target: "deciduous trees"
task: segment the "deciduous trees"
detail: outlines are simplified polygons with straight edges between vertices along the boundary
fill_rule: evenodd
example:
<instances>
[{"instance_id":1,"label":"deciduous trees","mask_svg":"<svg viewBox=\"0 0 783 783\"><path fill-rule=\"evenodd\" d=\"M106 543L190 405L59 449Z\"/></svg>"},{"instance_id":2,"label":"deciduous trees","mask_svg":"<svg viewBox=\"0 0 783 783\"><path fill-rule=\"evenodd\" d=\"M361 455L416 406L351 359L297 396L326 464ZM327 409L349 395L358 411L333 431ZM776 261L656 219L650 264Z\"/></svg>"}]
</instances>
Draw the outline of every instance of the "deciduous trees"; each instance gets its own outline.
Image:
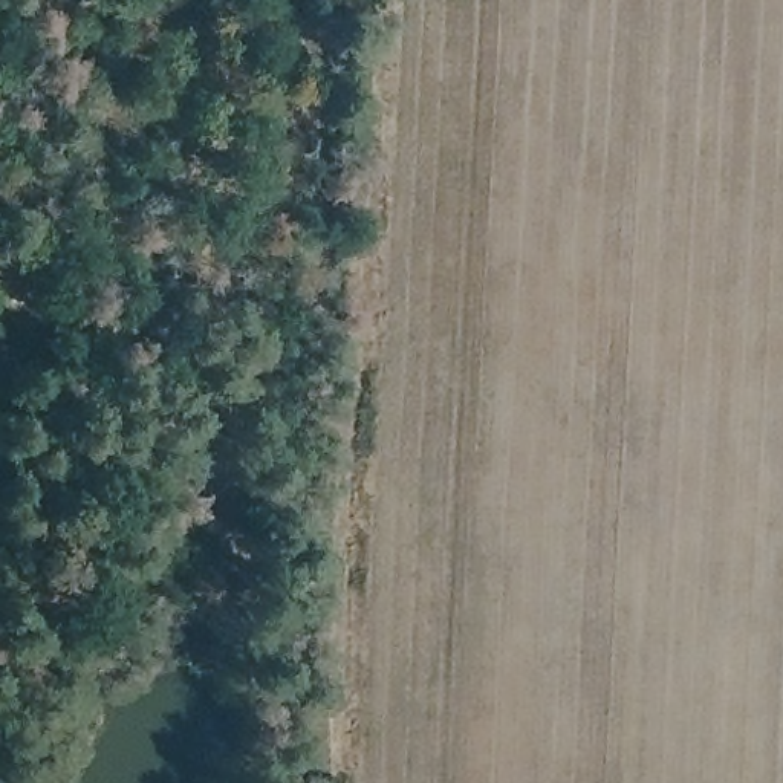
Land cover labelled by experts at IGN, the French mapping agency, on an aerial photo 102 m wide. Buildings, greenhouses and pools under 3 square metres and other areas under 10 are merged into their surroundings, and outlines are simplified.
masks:
<instances>
[{"instance_id":1,"label":"deciduous trees","mask_svg":"<svg viewBox=\"0 0 783 783\"><path fill-rule=\"evenodd\" d=\"M214 517L214 502L205 499L205 483L211 480L214 468L208 443L217 437L220 419L211 407L248 404L260 416L263 437L263 450L257 447L242 459L245 489L251 495L248 514L257 523L263 523L272 547L281 557L278 572L269 581L254 581L251 587L239 590L239 609L232 612L220 636L226 648L236 648L236 658L229 658L223 670L226 691L236 697L236 703L236 725L229 728L229 737L232 752L239 755L239 774L236 780L220 783L349 783L349 774L327 771L327 719L343 703L343 688L318 670L318 661L327 658L330 645L318 639L318 633L330 624L330 612L336 606L333 584L343 578L349 581L352 569L346 554L336 557L333 551L327 551L333 532L333 502L340 495L352 495L352 459L355 453L370 456L376 440L376 370L364 364L364 340L349 340L346 300L349 257L358 257L370 245L376 245L373 214L358 208L364 202L364 177L358 171L370 165L370 147L379 141L376 101L370 89L364 89L361 67L379 52L379 46L392 43L398 31L398 18L385 6L388 0L373 0L361 18L364 40L355 49L355 64L346 67L321 61L318 43L300 34L294 6L288 0L248 0L232 18L220 18L220 58L245 58L257 67L257 80L251 92L236 92L229 101L223 95L214 98L208 110L208 128L214 150L226 150L232 144L248 153L248 174L220 177L214 174L214 168L202 162L184 162L177 144L153 144L150 159L125 159L119 165L128 177L132 193L104 193L104 125L135 135L147 122L171 119L177 110L177 98L187 89L187 80L199 73L196 34L159 28L159 18L165 12L177 9L174 0L0 0L0 272L12 263L21 263L21 272L49 266L58 278L58 291L49 294L49 315L55 318L52 352L58 358L58 367L46 370L37 388L18 395L9 413L9 434L18 440L18 447L12 450L12 465L15 477L24 483L24 495L18 499L18 505L12 505L12 520L21 529L21 538L34 538L34 563L18 572L6 572L6 587L15 593L28 593L34 587L37 596L18 606L21 624L12 633L12 645L18 651L0 651L0 783L80 783L83 771L95 759L98 737L104 734L104 713L144 697L162 673L162 664L171 655L168 630L174 618L196 612L196 603L180 587L180 581L171 578L171 569L190 560L190 526L208 523ZM83 49L92 46L104 55L132 55L141 43L156 43L162 52L156 55L156 64L144 80L141 101L122 107L110 92L107 73L83 61ZM156 199L150 193L156 180L196 184L199 199L190 205L190 214L171 208L171 199L165 196ZM162 349L156 343L138 346L132 370L125 376L110 376L89 355L86 327L98 324L110 330L138 333L162 309L162 294L153 272L168 266L171 278L180 278L184 272L199 275L193 284L196 300L190 309L190 321L184 327L184 340L171 346L168 364L159 367ZM98 413L89 422L86 434L49 434L43 428L46 407L64 388L95 401ZM98 477L104 483L104 492L92 499L89 511L80 511L76 520L46 526L40 520L40 480L46 477Z\"/></svg>"}]
</instances>

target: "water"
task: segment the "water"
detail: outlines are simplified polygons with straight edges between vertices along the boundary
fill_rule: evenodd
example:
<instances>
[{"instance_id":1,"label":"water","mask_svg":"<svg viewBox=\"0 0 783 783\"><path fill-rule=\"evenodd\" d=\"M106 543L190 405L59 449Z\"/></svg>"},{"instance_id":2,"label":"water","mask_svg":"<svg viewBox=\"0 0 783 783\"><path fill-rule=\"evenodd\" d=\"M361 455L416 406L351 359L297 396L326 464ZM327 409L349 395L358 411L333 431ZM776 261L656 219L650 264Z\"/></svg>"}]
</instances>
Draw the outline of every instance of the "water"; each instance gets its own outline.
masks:
<instances>
[{"instance_id":1,"label":"water","mask_svg":"<svg viewBox=\"0 0 783 783\"><path fill-rule=\"evenodd\" d=\"M95 759L83 771L80 783L220 783L236 780L239 774L239 755L232 752L229 737L229 728L236 725L236 703L220 703L217 694L211 694L184 670L162 673L144 697L104 713L104 734L98 737Z\"/></svg>"}]
</instances>

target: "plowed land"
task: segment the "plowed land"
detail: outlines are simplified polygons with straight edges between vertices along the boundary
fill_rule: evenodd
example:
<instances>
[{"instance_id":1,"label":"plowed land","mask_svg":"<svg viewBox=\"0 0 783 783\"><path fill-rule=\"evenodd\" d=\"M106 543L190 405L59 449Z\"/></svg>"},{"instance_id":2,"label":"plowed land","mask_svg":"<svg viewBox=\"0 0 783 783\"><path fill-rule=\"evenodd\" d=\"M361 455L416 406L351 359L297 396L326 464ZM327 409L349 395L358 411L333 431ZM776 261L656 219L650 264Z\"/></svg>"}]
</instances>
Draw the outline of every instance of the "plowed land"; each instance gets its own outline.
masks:
<instances>
[{"instance_id":1,"label":"plowed land","mask_svg":"<svg viewBox=\"0 0 783 783\"><path fill-rule=\"evenodd\" d=\"M370 89L376 101L379 141L370 147L370 165L358 171L364 177L364 202L358 208L373 214L376 245L370 245L358 257L349 257L346 300L349 340L364 340L364 364L376 370L376 440L370 456L355 453L352 459L352 495L340 495L333 502L333 532L327 551L333 551L336 557L346 554L352 569L349 581L343 578L333 584L336 606L330 612L330 624L318 633L318 639L330 645L327 658L318 661L318 670L343 688L343 703L327 719L327 771L349 774L349 783L783 783L783 0L388 0L385 6L398 18L398 31L392 43L379 46L379 52L361 67L364 89Z\"/></svg>"}]
</instances>

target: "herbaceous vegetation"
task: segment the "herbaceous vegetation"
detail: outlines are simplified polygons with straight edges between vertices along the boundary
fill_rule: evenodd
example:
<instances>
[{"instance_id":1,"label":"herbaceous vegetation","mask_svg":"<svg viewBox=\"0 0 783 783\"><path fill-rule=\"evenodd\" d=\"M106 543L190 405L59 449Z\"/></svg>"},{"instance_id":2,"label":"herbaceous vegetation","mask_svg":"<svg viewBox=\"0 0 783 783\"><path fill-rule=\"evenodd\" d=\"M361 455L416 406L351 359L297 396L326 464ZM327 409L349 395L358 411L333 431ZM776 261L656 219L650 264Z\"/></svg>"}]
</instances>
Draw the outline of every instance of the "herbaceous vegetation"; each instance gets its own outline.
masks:
<instances>
[{"instance_id":1,"label":"herbaceous vegetation","mask_svg":"<svg viewBox=\"0 0 783 783\"><path fill-rule=\"evenodd\" d=\"M171 199L171 208L190 214L190 205L199 199L196 184L156 180L150 193L156 199L165 196Z\"/></svg>"},{"instance_id":2,"label":"herbaceous vegetation","mask_svg":"<svg viewBox=\"0 0 783 783\"><path fill-rule=\"evenodd\" d=\"M80 511L89 511L92 499L104 492L104 483L98 477L46 477L40 480L40 520L46 526L76 520Z\"/></svg>"},{"instance_id":3,"label":"herbaceous vegetation","mask_svg":"<svg viewBox=\"0 0 783 783\"><path fill-rule=\"evenodd\" d=\"M190 321L190 309L196 300L193 284L199 275L184 272L180 278L171 278L168 266L153 272L162 294L162 309L138 333L110 330L98 324L86 327L89 355L110 376L125 376L132 370L138 346L156 343L162 349L159 367L168 364L171 346L184 340L184 327Z\"/></svg>"},{"instance_id":4,"label":"herbaceous vegetation","mask_svg":"<svg viewBox=\"0 0 783 783\"><path fill-rule=\"evenodd\" d=\"M355 49L364 40L361 18L373 0L288 0L294 6L300 34L318 43L321 61L346 67L355 64Z\"/></svg>"},{"instance_id":5,"label":"herbaceous vegetation","mask_svg":"<svg viewBox=\"0 0 783 783\"><path fill-rule=\"evenodd\" d=\"M98 413L95 401L64 388L46 407L43 428L49 434L86 434L89 422Z\"/></svg>"},{"instance_id":6,"label":"herbaceous vegetation","mask_svg":"<svg viewBox=\"0 0 783 783\"><path fill-rule=\"evenodd\" d=\"M187 80L187 89L177 98L177 110L171 119L147 122L135 135L104 125L104 193L132 193L128 177L119 165L125 159L150 159L153 144L177 144L184 162L202 162L214 168L214 174L220 177L248 174L248 153L232 144L226 150L214 150L208 128L208 110L214 98L223 95L229 101L236 92L251 92L257 80L257 67L245 58L220 58L220 18L232 18L248 0L174 0L177 9L165 12L159 18L159 28L196 34L199 73Z\"/></svg>"},{"instance_id":7,"label":"herbaceous vegetation","mask_svg":"<svg viewBox=\"0 0 783 783\"><path fill-rule=\"evenodd\" d=\"M12 520L12 505L18 505L18 499L24 495L24 483L15 477L12 465L12 450L18 447L18 440L9 434L9 413L18 395L37 388L46 370L58 367L58 358L52 352L55 318L49 315L49 294L58 291L58 278L49 266L21 272L21 263L12 263L0 272L0 651L18 651L12 645L12 633L21 624L18 606L37 596L34 587L28 593L15 593L6 587L6 572L18 572L34 563L34 538L21 538L21 529Z\"/></svg>"},{"instance_id":8,"label":"herbaceous vegetation","mask_svg":"<svg viewBox=\"0 0 783 783\"><path fill-rule=\"evenodd\" d=\"M211 694L217 694L220 703L236 703L236 697L226 691L223 670L229 658L236 658L236 648L226 648L220 636L232 612L239 609L239 590L251 587L254 581L269 581L278 572L281 557L272 547L263 523L257 523L248 514L251 495L245 489L242 459L257 447L263 450L263 437L260 416L248 404L211 407L220 419L217 437L208 443L214 468L211 480L205 483L205 499L214 502L214 517L208 523L190 526L190 560L171 569L171 578L180 581L180 587L196 603L196 612L174 618L168 630L171 655L162 664L162 673L184 670Z\"/></svg>"},{"instance_id":9,"label":"herbaceous vegetation","mask_svg":"<svg viewBox=\"0 0 783 783\"><path fill-rule=\"evenodd\" d=\"M83 49L83 61L107 73L110 92L122 107L141 101L144 80L156 64L156 55L162 52L156 43L141 43L132 55L104 55L92 46Z\"/></svg>"}]
</instances>

